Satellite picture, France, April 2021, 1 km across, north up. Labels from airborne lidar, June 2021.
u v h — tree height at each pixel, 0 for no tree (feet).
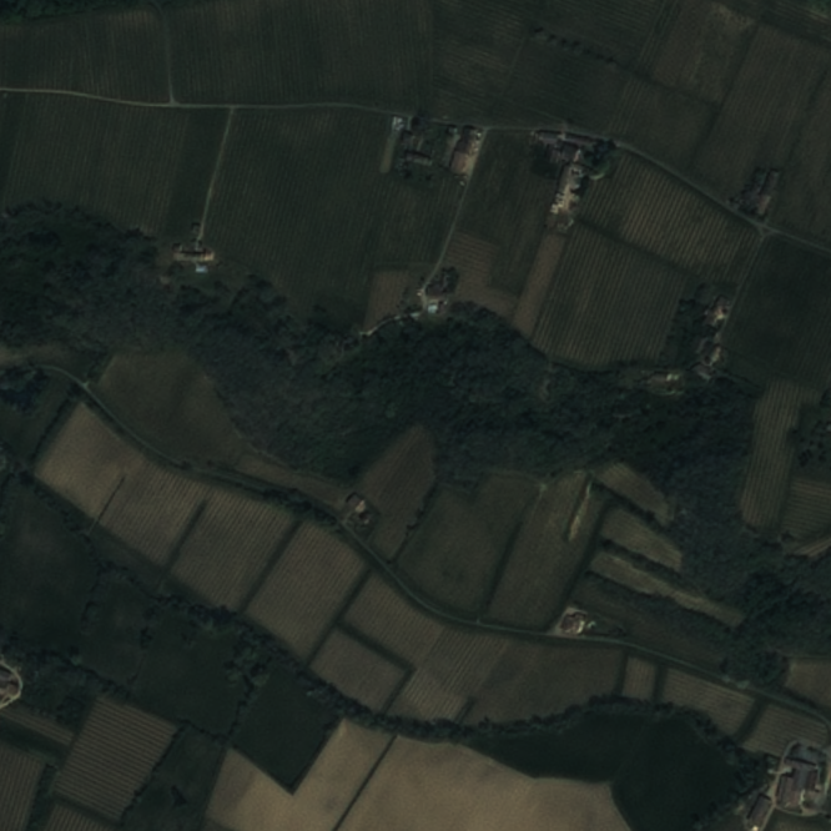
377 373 54
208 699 0
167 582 0
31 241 56
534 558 0
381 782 0
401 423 43
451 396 57
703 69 0
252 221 0
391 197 0
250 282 27
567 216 0
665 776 0
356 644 0
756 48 0
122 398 0
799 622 81
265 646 44
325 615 0
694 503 54
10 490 39
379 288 0
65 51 0
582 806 0
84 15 0
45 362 0
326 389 55
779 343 0
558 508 0
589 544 0
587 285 0
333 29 0
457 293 26
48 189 0
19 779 0
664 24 0
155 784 0
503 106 0
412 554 0
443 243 0
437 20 0
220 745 27
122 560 0
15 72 0
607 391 34
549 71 0
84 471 0
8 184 0
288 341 79
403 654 0
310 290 0
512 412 56
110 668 0
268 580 0
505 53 0
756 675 44
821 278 0
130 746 0
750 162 0
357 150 0
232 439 0
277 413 46
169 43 0
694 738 0
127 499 0
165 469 0
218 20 0
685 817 0
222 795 0
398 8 0
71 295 47
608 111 0
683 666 0
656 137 0
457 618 0
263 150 0
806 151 0
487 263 0
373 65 0
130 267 82
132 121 0
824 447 22
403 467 0
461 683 0
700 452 47
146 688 0
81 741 0
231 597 0
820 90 0
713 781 0
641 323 0
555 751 0
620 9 0
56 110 0
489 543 0
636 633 0
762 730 0
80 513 0
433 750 0
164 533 0
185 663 0
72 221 26
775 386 0
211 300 21
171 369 0
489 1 0
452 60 0
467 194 0
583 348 0
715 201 0
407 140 0
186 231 0
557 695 0
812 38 0
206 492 0
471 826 0
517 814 0
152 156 0
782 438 0
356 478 71
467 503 0
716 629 45
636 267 0
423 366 55
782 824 0
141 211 0
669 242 0
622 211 0
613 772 0
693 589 26
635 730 0
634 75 0
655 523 53
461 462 73
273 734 0
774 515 0
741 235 0
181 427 0
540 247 0
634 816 0
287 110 0
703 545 54
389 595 0
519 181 0
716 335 25
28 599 0
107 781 0
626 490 0
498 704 0
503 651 0
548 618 0
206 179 0
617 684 0
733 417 40
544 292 0
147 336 57
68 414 33
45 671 45
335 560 0
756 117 0
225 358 73
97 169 0
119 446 0
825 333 0
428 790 0
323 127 0
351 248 0
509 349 49
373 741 0
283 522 0
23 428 0
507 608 0
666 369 28
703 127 0
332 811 0
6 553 0
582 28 0
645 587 0
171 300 68
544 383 47
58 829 0
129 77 0
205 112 0
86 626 27
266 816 0
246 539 0
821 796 0
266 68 0
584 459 77
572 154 0
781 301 0
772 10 0
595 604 0
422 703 0
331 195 0
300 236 0
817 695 0
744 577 83
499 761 0
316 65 0
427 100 0
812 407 0
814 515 0
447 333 21
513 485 0
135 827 0
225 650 0
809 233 0
